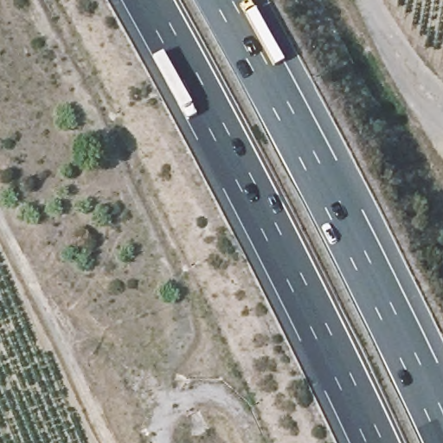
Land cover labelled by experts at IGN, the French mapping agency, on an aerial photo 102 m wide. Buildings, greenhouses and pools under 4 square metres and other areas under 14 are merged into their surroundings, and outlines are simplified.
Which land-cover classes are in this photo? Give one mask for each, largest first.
<instances>
[{"label":"herbaceous vegetation","instance_id":"1","mask_svg":"<svg viewBox=\"0 0 443 443\"><path fill-rule=\"evenodd\" d=\"M66 104H71L74 123L80 130H62L61 126L54 125L52 119H57L59 107ZM90 132L99 140L100 170L80 171L76 164H71L74 140L78 135H87ZM3 183H9L17 201L28 204L38 213V223H29L19 220L21 211L16 206H2L5 221L16 237L22 253L26 254L38 284L48 299V305L59 306L62 315L69 318L73 324L74 337L71 346L74 358L80 365L90 393L99 401L102 417L116 443H336L322 408L317 401H313L310 407L296 408L292 419L298 422L299 434L292 436L289 429L280 427L279 419L284 415L273 403L275 396L280 395V389L277 388L270 393L261 391L260 381L268 376V370L254 369V360L263 356L272 358L277 365V372H287L291 376V381H301L305 377L291 344L287 341L282 343V348L291 358L289 363L282 362L279 353L273 351V344H266L263 348L254 346V334L275 336L282 331L270 301L261 289L253 268L246 261V254L242 253L230 223L223 215L213 190L209 189L206 178L202 175L196 157L185 142L163 97L157 93L156 83L145 69L137 48L133 47L130 36L126 35L125 28L109 0H0V194ZM88 197H97L99 201L106 202L121 201L126 208L132 209L133 213L130 220L121 221V232H116L112 227L104 225L100 220H93L92 215L87 213L90 206ZM88 227L100 232L104 241L100 247L99 266L90 270H81L74 261L64 258V249H67V246H81L88 241ZM168 280L171 287L178 291L177 303H166L161 294V287Z\"/></svg>","mask_w":443,"mask_h":443},{"label":"impervious surface","instance_id":"2","mask_svg":"<svg viewBox=\"0 0 443 443\"><path fill-rule=\"evenodd\" d=\"M125 28L126 35L130 36L133 47L137 48L145 69L156 83L157 93L163 97L185 142L196 157L202 175L206 178L209 189L213 190L223 215L230 223L242 253L246 254V261L253 268L261 289L270 301L282 331L286 332L287 341L291 344L305 377L311 379L315 389L313 401H317L322 408L336 443H443V311L436 303L427 280L424 279L421 265L415 260L414 254L410 253V244L403 223L396 220L393 215L388 201L382 196L381 183L370 173L367 161L356 144L355 133L351 132L344 116L343 97L332 99V83L322 81V76L318 73L317 66L301 38V33L294 28L282 0H109Z\"/></svg>","mask_w":443,"mask_h":443},{"label":"deciduous trees","instance_id":"3","mask_svg":"<svg viewBox=\"0 0 443 443\"><path fill-rule=\"evenodd\" d=\"M294 28L301 33V38L317 66L318 73L322 76V81L332 83V99L343 97L344 116L351 132L355 133L356 144L367 161L370 173L381 183L382 196L388 201L393 215L396 220L403 223L410 244V253L414 254L415 260L421 265L424 279L427 280L436 303L443 311V190L436 189L426 156L422 154L421 147L410 132L408 111L407 102L401 97L395 81L381 61H377L374 55L363 52L362 45L358 43L353 31L348 28V24L341 16V9L337 7L336 0H282ZM54 125L61 126L62 130H80L74 123L71 104H66L59 107L57 119H52ZM71 164H76L80 171L100 170L99 140L90 132L87 135H78L74 140ZM0 206H16L21 211L19 220L29 223H38V213L28 204L17 201L9 183H3L0 194ZM90 206L87 213L92 215L93 220H100L104 225L112 227L106 209H102L106 202L99 201L97 197H88ZM92 251V244L88 241L81 246H67V249H64V258L74 261L81 270H90L87 258ZM161 294L166 303H177L178 291L171 287L168 280L161 287Z\"/></svg>","mask_w":443,"mask_h":443},{"label":"vineyard","instance_id":"4","mask_svg":"<svg viewBox=\"0 0 443 443\"><path fill-rule=\"evenodd\" d=\"M401 7H405V12L414 17L412 24L421 26V35L426 36L427 47L441 48L443 45V0H398ZM410 132L421 147L422 154L426 156L436 189L443 190V157L434 149L431 138L422 130L421 121L408 111ZM0 443H102L99 431L88 414L87 405L81 398L76 382L67 369L66 360L57 346L54 332L50 331L38 301L33 292L29 291L28 282L24 279L21 268L17 265L16 258L0 230Z\"/></svg>","mask_w":443,"mask_h":443},{"label":"pervious surface","instance_id":"5","mask_svg":"<svg viewBox=\"0 0 443 443\"><path fill-rule=\"evenodd\" d=\"M370 33L374 36L381 61L395 81L401 97L407 102L408 111L421 121L422 130L431 138L434 149L443 157V81L438 80L419 59L415 48L410 47L407 36L401 33L382 0H356ZM0 230L16 258L17 265L21 268L24 279L28 282L29 291L33 292L38 301L50 331L54 332L57 346L66 360L67 369L76 382L81 398L87 405L88 414L99 431L102 443H116L102 417L99 401L90 393L80 365L74 358L71 346L74 337L73 324L69 318L62 315L59 306L48 305V299L38 284L26 254L22 253L16 237L5 221L2 206H0Z\"/></svg>","mask_w":443,"mask_h":443},{"label":"brushwood","instance_id":"6","mask_svg":"<svg viewBox=\"0 0 443 443\"><path fill-rule=\"evenodd\" d=\"M102 209H106L112 227L116 232H121V221L130 220L133 213L132 209L126 208L121 201L106 202ZM88 241L92 244V251L87 258L90 270L99 266L100 247L104 241L100 232L88 227ZM287 341L286 332L282 331L275 336L254 334V346L263 348L266 344H273V351L279 353L282 362L289 363L291 358L282 348V343ZM254 369L268 370V376L260 381L261 391L270 393L277 388L280 389V395L275 396L273 403L284 415L279 419L280 427L289 429L292 436L299 434L298 422L292 419L296 408L310 407L313 401L315 389L311 379L305 377L301 381H291V376L287 372H277V365L272 358L263 356L254 360Z\"/></svg>","mask_w":443,"mask_h":443},{"label":"plowed land","instance_id":"7","mask_svg":"<svg viewBox=\"0 0 443 443\"><path fill-rule=\"evenodd\" d=\"M337 7L341 9V16L348 24V28L353 31L358 43L362 45L363 52L374 55L377 61H381L374 36L370 33L356 0H336ZM401 33L407 36L410 47L415 48L419 59L438 80L443 81V45L441 48L427 47L426 36L421 35V26L412 24L414 17L405 12V7H401L398 0H382Z\"/></svg>","mask_w":443,"mask_h":443}]
</instances>
